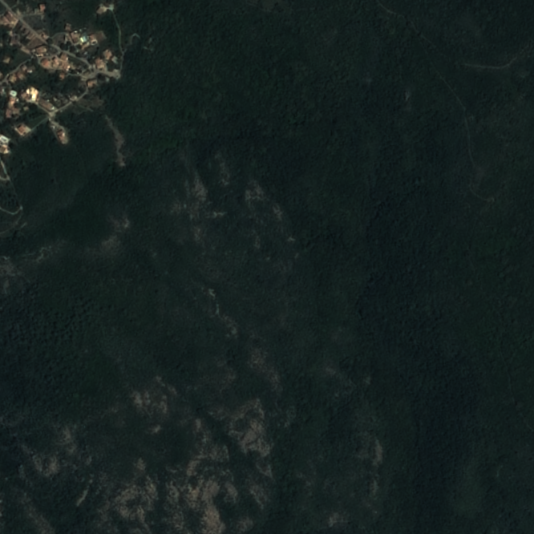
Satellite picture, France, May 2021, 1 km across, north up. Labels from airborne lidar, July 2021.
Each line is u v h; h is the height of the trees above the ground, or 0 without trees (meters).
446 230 6
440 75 7
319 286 10
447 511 10
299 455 6
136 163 6
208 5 9
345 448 6
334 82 11
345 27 12
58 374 6
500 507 7
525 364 6
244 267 5
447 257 6
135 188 6
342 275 10
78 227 6
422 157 12
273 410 9
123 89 7
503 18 7
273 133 8
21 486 7
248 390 5
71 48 8
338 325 6
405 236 14
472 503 6
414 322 12
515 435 8
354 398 8
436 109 6
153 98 9
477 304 6
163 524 6
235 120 19
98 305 13
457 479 8
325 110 19
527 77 6
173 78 9
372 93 10
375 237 13
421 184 6
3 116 7
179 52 8
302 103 7
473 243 6
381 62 8
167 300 6
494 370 11
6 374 8
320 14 7
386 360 8
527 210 9
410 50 10
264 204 7
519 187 5
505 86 8
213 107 8
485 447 6
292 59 9
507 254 7
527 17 7
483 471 9
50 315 13
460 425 8
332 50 7
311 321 8
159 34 11
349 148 9
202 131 15
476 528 13
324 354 8
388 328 11
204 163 10
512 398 7
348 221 12
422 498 16
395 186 10
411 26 10
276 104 15
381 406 11
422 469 16
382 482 9
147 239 6
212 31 11
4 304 9
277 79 9
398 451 13
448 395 16
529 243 7
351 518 9
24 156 0
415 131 9
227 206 6
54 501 9
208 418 6
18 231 8
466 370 8
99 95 6
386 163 7
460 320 8
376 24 9
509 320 5
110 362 6
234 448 11
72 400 7
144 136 7
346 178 9
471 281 8
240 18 7
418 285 12
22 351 10
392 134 6
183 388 8
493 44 7
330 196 8
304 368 7
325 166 7
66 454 7
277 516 11
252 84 10
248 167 8
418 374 9
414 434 11
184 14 11
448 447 12
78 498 11
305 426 7
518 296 6
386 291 12
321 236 15
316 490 5
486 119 7
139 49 5
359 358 9
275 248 6
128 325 6
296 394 6
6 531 7
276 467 7
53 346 10
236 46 9
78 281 7
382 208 15
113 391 5
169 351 6
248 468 7
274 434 7
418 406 15
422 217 6
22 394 11
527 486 6
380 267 15
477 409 10
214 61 8
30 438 6
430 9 8
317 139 6
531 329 6
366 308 14
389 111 8
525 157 7
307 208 12
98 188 7
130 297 7
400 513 10
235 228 6
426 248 12
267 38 8
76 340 8
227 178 6
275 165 14
